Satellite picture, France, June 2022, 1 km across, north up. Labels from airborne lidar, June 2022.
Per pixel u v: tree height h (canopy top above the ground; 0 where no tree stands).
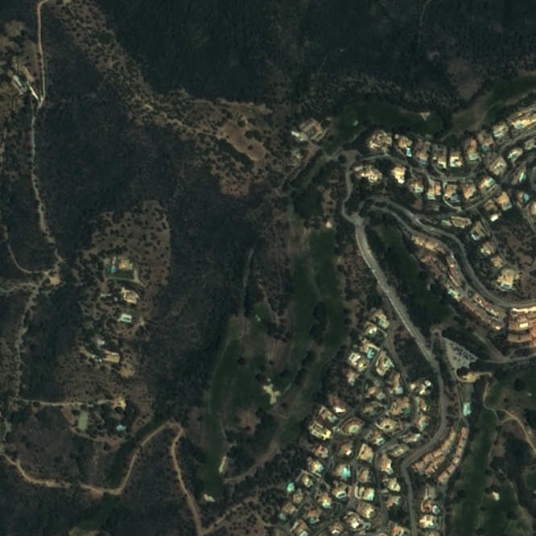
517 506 0
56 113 10
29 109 12
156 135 7
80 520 11
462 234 7
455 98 7
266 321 0
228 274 7
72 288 7
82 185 6
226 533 7
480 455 0
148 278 7
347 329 0
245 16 6
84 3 7
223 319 11
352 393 7
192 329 9
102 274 7
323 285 0
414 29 5
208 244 9
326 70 7
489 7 14
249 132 12
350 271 8
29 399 8
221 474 0
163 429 0
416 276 0
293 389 0
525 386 9
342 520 11
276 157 7
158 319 7
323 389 8
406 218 9
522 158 7
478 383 10
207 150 7
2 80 10
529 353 11
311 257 0
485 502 0
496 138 7
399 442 9
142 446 8
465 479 0
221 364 0
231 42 10
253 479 12
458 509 0
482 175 10
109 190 8
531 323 0
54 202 9
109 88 7
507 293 7
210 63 6
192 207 6
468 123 0
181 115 8
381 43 12
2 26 9
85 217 9
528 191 7
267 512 6
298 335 0
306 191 11
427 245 0
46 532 11
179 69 10
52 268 11
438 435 0
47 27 7
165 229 7
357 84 8
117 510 8
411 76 13
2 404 6
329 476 9
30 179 8
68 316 10
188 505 0
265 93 7
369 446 7
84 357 8
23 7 12
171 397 6
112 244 6
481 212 6
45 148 7
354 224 13
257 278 13
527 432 0
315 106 8
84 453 9
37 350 13
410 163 7
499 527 0
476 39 9
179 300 6
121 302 8
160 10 10
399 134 8
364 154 9
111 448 10
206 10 8
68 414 0
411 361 6
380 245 10
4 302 7
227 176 8
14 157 9
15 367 5
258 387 0
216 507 9
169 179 6
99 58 8
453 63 0
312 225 8
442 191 6
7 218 11
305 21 7
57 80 6
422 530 8
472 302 6
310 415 6
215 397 0
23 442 8
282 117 0
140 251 0
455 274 0
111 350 8
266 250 0
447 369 10
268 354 0
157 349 7
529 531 0
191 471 8
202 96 6
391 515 8
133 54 8
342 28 7
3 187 13
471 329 8
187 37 6
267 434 0
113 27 9
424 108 10
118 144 6
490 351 0
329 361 0
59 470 6
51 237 8
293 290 10
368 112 0
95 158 6
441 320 10
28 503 8
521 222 7
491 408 0
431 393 6
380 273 0
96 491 0
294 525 7
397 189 8
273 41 7
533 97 8
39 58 6
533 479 0
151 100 7
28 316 9
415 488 6
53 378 7
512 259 7
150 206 0
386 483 6
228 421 0
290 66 8
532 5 7
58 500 9
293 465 7
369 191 11
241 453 11
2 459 10
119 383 6
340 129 0
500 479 9
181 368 7
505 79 7
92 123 7
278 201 10
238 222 6
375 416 7
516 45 9
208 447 0
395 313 9
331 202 9
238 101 9
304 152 9
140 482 8
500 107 0
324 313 11
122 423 11
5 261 6
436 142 8
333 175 10
